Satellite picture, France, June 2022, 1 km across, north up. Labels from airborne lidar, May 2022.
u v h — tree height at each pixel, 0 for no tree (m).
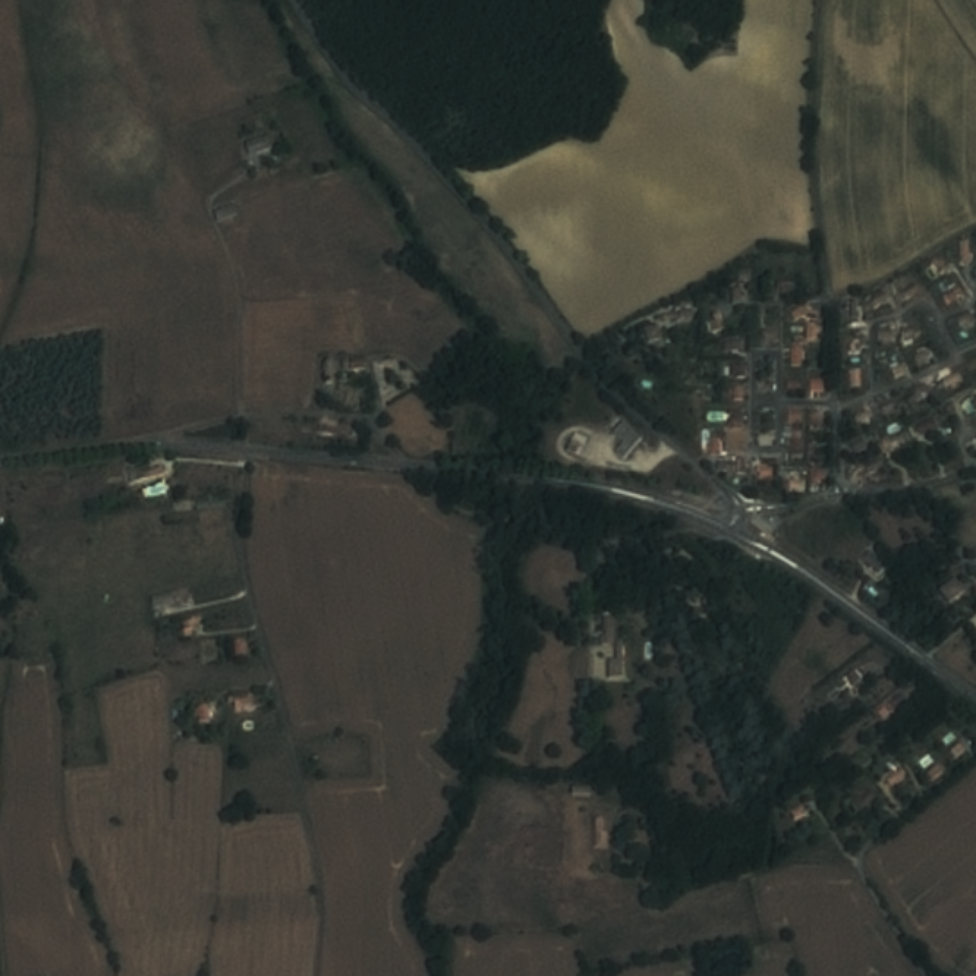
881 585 9
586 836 0
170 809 0
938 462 7
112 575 0
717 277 9
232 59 0
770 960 0
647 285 0
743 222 0
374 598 0
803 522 0
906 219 0
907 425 8
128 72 0
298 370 0
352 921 0
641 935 0
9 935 0
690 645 21
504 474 22
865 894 0
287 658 0
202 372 0
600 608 20
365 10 17
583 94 17
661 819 20
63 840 0
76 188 0
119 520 0
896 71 0
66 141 0
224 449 0
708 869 19
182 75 0
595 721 25
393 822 0
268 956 0
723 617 17
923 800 15
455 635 0
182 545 0
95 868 0
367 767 0
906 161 0
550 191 0
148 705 0
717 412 0
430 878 14
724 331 9
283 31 11
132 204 0
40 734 0
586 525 16
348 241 0
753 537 0
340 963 0
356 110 0
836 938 0
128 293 0
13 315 0
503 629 32
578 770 16
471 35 17
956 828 0
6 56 0
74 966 0
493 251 0
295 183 0
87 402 10
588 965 9
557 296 0
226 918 0
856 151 0
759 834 8
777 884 0
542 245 0
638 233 0
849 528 0
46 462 15
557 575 0
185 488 7
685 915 0
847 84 0
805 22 0
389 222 0
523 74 15
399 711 0
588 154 0
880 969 0
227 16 0
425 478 16
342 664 0
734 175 0
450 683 0
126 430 0
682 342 8
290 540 0
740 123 0
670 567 20
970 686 0
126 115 0
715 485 0
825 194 0
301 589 0
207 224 0
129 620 0
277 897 0
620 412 13
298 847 0
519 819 0
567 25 16
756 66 0
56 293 0
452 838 18
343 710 0
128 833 0
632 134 0
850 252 0
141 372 0
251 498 11
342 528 0
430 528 0
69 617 0
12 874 0
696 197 0
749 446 0
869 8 0
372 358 0
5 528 10
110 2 0
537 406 8
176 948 0
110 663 0
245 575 0
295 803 0
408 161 0
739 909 0
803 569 0
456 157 14
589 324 0
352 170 0
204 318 0
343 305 0
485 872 0
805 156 8
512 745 16
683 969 0
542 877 0
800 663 0
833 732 15
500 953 0
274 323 0
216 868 0
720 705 23
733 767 21
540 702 0
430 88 17
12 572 12
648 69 0
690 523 0
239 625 0
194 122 0
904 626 17
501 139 17
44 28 0
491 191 0
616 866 8
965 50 0
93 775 0
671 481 0
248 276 0
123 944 0
